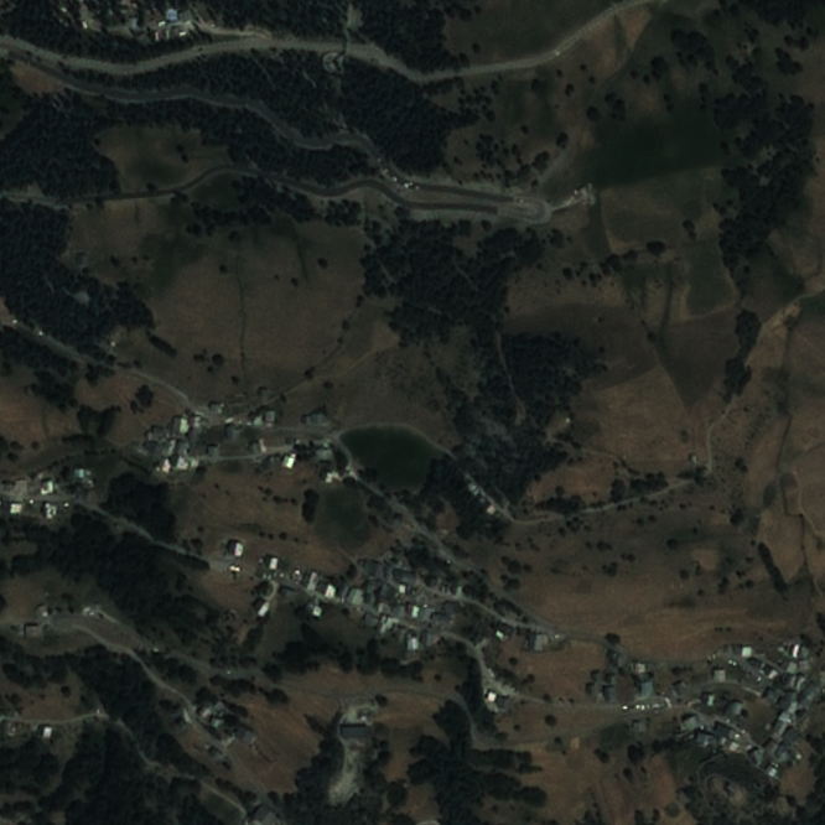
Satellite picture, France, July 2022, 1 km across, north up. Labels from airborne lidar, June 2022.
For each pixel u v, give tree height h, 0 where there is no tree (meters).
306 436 0
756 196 10
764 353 0
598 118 15
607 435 0
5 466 0
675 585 0
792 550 0
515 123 0
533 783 0
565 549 0
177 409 0
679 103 0
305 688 0
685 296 0
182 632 13
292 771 0
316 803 15
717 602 0
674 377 0
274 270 0
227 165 0
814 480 0
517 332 0
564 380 10
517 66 0
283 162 16
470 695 12
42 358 19
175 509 0
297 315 0
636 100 0
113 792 22
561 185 0
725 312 0
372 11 18
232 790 9
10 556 0
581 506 12
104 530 16
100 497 0
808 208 0
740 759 0
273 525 0
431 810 0
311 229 0
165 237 0
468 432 11
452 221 0
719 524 0
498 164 7
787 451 0
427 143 14
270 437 0
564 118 0
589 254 0
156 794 17
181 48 9
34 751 17
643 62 0
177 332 0
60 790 7
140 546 13
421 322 12
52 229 21
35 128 17
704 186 0
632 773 8
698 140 0
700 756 0
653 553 0
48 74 0
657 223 0
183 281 0
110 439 0
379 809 8
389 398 0
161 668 14
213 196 0
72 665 16
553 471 8
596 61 0
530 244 13
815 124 13
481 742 0
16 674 18
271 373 0
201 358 8
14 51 0
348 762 0
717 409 0
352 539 0
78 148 20
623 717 0
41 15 11
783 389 0
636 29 0
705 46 18
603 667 0
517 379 14
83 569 16
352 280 0
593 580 0
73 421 0
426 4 16
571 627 0
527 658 0
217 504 0
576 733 0
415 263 17
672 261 0
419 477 0
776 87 0
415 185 0
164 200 0
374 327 0
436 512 9
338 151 18
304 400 0
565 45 0
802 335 0
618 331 0
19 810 12
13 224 26
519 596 0
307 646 7
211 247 0
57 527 0
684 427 0
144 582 23
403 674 9
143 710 17
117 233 0
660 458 0
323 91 16
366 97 16
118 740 23
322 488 0
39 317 16
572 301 0
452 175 8
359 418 0
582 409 0
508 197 0
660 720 0
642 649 0
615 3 0
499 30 0
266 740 0
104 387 0
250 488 0
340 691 0
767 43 0
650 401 0
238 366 0
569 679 0
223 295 0
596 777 0
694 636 0
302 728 0
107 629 0
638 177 0
